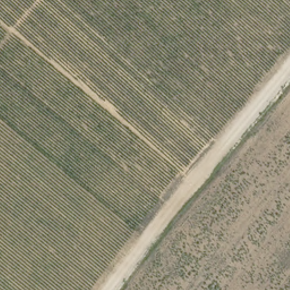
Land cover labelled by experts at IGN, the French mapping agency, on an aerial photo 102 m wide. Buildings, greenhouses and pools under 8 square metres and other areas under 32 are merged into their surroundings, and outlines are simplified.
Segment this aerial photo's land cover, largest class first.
<instances>
[{"label":"vineyard","instance_id":"1","mask_svg":"<svg viewBox=\"0 0 290 290\"><path fill-rule=\"evenodd\" d=\"M290 53V0H0V290H101L113 273L114 267L129 254V250L134 247L156 213L182 184V180L212 150L221 136L220 131L244 108L265 72L271 70L281 54Z\"/></svg>","mask_w":290,"mask_h":290},{"label":"agricultural land","instance_id":"2","mask_svg":"<svg viewBox=\"0 0 290 290\"><path fill-rule=\"evenodd\" d=\"M282 93L278 99L259 112L254 125L249 126L241 135L240 142L230 148L216 164L211 176L172 217L159 238L137 263L134 272L128 279L123 280L120 290H290V85H282Z\"/></svg>","mask_w":290,"mask_h":290},{"label":"pervious surface","instance_id":"3","mask_svg":"<svg viewBox=\"0 0 290 290\"><path fill-rule=\"evenodd\" d=\"M282 85H290V53L281 54L271 70L265 72L244 108L220 131L221 136L212 150L182 180V184L156 213L134 247L129 250V254L114 267L113 273L101 290H120L123 280L128 279L134 272L137 263L159 238L172 217L211 176L216 164L230 148L240 142L241 135L249 126L254 125L259 112L278 99L282 93Z\"/></svg>","mask_w":290,"mask_h":290}]
</instances>
